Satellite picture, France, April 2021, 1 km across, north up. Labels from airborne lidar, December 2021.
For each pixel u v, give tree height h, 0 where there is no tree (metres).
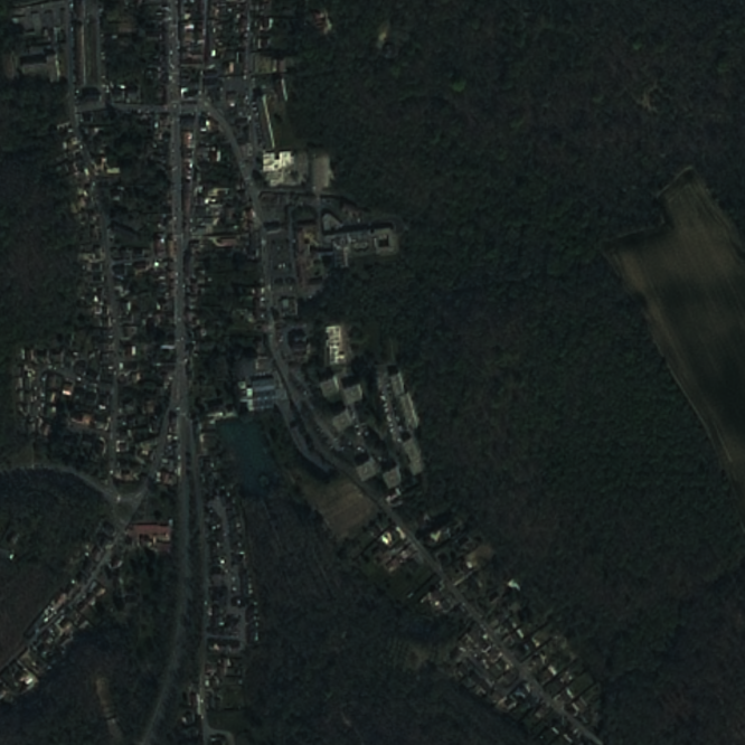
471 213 21
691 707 25
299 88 14
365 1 19
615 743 21
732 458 0
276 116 7
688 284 0
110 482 0
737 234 16
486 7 24
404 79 18
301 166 0
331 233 0
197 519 15
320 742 12
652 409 14
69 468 14
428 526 9
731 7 12
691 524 23
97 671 9
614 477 17
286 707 24
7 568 15
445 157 14
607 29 15
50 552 19
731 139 15
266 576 23
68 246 20
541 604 6
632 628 19
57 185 17
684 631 28
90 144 7
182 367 0
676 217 0
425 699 21
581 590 11
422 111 19
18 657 0
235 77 0
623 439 18
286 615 20
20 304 17
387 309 8
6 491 19
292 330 0
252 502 28
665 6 11
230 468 12
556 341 12
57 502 15
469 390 16
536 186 18
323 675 13
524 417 11
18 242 20
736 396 0
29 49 13
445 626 16
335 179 7
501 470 13
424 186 14
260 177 15
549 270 18
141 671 22
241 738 0
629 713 23
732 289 0
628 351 20
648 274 0
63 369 0
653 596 23
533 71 17
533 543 17
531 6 12
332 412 20
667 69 9
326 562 35
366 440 7
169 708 14
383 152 12
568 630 8
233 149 8
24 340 16
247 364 0
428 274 8
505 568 16
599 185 17
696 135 17
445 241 19
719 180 18
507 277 23
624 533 22
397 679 19
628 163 14
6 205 18
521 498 19
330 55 13
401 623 18
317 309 17
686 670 26
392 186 13
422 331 9
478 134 16
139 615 15
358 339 12
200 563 19
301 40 12
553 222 17
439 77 19
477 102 24
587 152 14
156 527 0
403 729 12
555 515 14
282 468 14
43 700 10
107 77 8
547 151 21
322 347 12
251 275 0
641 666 19
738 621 27
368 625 20
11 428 21
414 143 14
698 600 27
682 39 17
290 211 8
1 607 6
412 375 14
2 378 14
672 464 22
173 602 23
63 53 11
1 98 29
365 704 24
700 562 24
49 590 16
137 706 16
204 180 6
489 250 20
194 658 18
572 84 12
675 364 0
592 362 18
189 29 0
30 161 23
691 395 0
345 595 29
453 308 28
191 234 0
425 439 12
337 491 0
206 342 13
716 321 0
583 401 18
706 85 14
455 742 9
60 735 11
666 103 13
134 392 6
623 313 23
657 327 0
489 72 22
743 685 29
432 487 18
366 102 22
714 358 0
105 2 6
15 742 14
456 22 16
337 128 12
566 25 20
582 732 0
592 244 16
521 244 8
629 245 0
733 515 18
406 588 0
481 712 23
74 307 13
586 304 18
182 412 0
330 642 25
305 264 0
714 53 18
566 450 16
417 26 16
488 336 21
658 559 13
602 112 9
